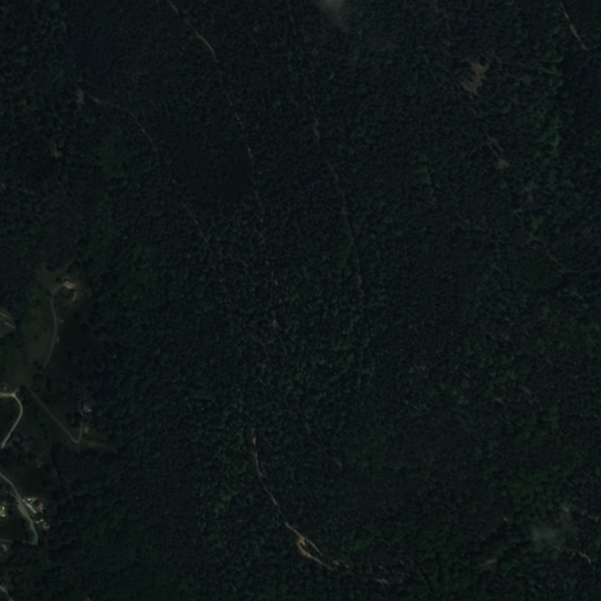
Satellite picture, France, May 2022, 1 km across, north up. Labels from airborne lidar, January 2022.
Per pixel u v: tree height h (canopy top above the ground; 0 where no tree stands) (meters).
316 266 21
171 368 26
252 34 12
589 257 22
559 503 23
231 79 25
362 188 17
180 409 26
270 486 26
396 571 23
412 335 18
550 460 29
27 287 18
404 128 20
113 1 20
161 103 12
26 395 11
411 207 22
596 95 19
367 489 22
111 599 19
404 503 33
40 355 0
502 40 22
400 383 11
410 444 29
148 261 19
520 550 33
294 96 11
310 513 24
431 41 20
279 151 26
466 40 27
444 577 30
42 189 27
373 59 23
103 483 27
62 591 19
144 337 25
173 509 25
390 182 22
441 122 19
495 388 27
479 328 23
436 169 13
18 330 10
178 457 30
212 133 12
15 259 32
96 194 29
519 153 15
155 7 19
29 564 12
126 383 32
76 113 31
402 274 26
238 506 27
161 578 27
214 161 15
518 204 21
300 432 23
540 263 11
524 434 29
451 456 30
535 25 20
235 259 23
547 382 27
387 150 22
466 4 25
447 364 22
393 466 24
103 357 0
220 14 15
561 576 29
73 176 31
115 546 27
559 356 27
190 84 14
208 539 27
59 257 26
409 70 18
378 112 18
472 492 31
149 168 23
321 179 29
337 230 20
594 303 34
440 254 25
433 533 26
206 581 30
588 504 28
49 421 0
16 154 13
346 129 9
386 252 19
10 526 0
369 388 23
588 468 24
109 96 19
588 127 20
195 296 26
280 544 21
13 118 13
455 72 15
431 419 22
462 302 23
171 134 13
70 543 14
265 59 12
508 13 27
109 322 22
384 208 21
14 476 0
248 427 23
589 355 24
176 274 25
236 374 22
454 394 26
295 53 24
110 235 22
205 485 24
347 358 20
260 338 26
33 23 28
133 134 22
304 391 25
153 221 26
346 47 23
